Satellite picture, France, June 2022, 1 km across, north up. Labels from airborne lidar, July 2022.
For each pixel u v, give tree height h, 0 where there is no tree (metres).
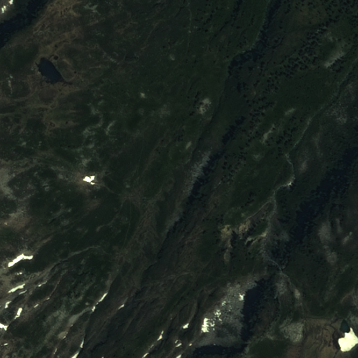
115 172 0
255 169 0
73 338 0
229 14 0
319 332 0
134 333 0
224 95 0
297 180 6
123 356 0
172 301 0
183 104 0
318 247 0
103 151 0
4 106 0
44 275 0
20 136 0
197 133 0
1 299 0
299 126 7
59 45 0
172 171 0
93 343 0
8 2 0
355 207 0
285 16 0
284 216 0
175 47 0
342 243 0
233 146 0
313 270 0
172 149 0
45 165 0
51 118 0
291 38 0
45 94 0
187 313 0
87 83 0
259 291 17
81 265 7
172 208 0
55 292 0
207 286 0
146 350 0
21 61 0
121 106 0
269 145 14
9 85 0
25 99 0
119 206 0
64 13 0
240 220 0
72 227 0
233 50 0
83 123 0
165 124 0
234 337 0
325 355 0
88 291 0
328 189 8
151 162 0
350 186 12
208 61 0
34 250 0
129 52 0
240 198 0
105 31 0
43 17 0
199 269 0
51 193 0
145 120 0
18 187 0
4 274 0
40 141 0
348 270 0
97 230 0
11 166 0
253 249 6
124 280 0
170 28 0
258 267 0
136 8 0
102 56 0
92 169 0
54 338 0
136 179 0
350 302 0
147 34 0
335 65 23
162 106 0
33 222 0
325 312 0
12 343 0
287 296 0
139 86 0
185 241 0
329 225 0
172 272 0
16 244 0
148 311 0
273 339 0
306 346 0
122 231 0
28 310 0
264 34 6
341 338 0
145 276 0
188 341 0
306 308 0
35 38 0
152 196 0
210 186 0
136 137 0
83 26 0
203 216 0
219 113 0
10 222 0
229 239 0
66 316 0
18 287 0
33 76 0
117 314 0
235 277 0
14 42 0
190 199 0
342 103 0
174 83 0
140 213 0
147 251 0
